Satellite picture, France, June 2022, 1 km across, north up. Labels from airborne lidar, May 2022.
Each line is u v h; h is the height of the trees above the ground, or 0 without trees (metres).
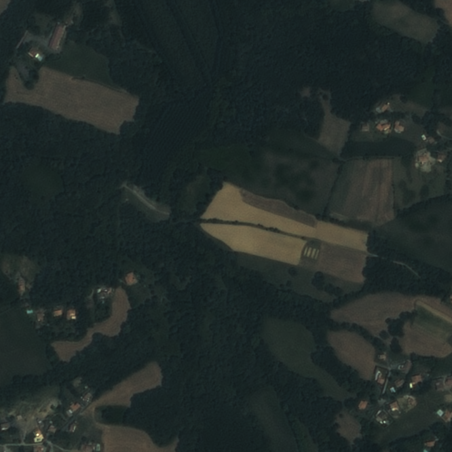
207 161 0
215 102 34
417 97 0
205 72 31
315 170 0
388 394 8
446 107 0
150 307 17
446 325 0
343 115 14
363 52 24
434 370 8
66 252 25
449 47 19
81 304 19
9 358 0
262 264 0
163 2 11
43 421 7
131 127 22
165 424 24
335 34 24
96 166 17
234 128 26
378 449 22
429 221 0
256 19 26
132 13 17
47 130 24
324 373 0
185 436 26
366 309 0
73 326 5
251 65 24
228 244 0
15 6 24
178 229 25
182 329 19
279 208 0
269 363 19
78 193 21
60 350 0
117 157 20
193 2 11
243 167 0
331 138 0
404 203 0
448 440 13
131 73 25
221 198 0
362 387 21
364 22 25
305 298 21
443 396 0
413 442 26
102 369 15
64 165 9
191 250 21
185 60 15
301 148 0
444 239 0
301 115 16
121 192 12
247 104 22
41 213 18
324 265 0
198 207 14
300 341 0
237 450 19
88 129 22
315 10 28
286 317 17
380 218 0
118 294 0
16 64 6
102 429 0
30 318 6
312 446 0
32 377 18
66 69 0
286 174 0
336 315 0
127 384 0
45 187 0
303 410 28
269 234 0
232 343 16
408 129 0
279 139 0
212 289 13
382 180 0
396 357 0
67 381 18
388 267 11
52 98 0
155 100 14
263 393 0
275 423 0
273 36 19
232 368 13
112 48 25
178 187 26
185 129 35
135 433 0
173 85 25
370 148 0
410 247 0
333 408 26
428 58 17
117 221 8
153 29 32
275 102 25
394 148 0
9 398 28
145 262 21
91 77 0
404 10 0
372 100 18
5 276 5
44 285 19
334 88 12
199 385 15
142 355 14
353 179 0
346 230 0
